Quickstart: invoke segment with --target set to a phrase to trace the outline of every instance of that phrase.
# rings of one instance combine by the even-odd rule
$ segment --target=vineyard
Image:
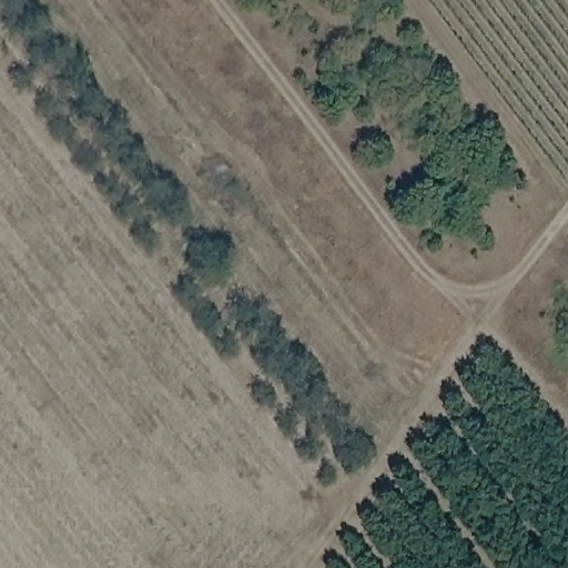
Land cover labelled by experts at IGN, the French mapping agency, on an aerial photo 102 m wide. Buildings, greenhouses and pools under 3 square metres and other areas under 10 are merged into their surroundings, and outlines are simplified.
[[[568,173],[568,0],[404,0],[406,16],[419,20],[424,40],[435,53],[439,53],[435,67],[439,67],[442,71],[455,69],[459,78],[462,98],[470,107],[475,107],[475,118],[479,122],[493,122],[495,129],[504,126],[506,142],[513,149],[517,166],[526,175],[530,173],[533,160],[539,160],[541,169],[550,178],[566,178]]]

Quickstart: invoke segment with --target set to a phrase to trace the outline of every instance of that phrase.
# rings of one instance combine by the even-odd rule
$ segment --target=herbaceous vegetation
[[[333,44],[339,38],[384,38],[393,44],[397,38],[399,22],[395,18],[377,22],[377,29],[362,29],[351,24],[353,18],[348,13],[331,13],[317,0],[282,0],[277,4],[277,11],[237,9],[240,18],[244,20],[249,31],[260,40],[262,49],[275,62],[275,67],[286,78],[295,80],[306,75],[311,82],[315,82],[315,58],[322,60],[324,53],[333,49]]]
[[[422,415],[419,426],[408,430],[406,446],[388,457],[391,470],[384,477],[377,477],[373,481],[373,493],[357,504],[359,515],[373,515],[377,510],[382,493],[388,493],[393,486],[393,468],[402,468],[406,462],[410,462],[422,484],[428,488],[424,497],[428,501],[437,499],[439,508],[446,510],[446,530],[457,528],[459,535],[473,544],[475,555],[481,559],[486,568],[497,568],[488,550],[479,546],[479,539],[464,524],[464,519],[459,517],[453,521],[453,515],[448,513],[448,497],[444,497],[442,488],[422,466],[419,457],[408,448],[415,442],[422,442],[424,435],[428,437],[435,426],[444,430],[453,428],[455,435],[464,435],[462,426],[450,426],[448,417],[442,417]]]
[[[322,448],[317,448],[313,459],[320,466],[324,459],[328,459],[335,475],[344,470],[342,462],[333,453],[333,442],[328,433],[317,437]]]
[[[515,268],[533,246],[533,242],[539,237],[539,233],[546,231],[546,226],[557,217],[557,213],[568,202],[568,173],[566,178],[550,178],[541,169],[539,160],[533,160],[530,173],[526,175],[524,189],[499,189],[490,195],[490,204],[481,211],[481,217],[493,229],[495,246],[490,251],[477,253],[475,257],[470,255],[470,246],[464,246],[462,240],[448,246],[439,244],[437,249],[428,249],[426,240],[419,237],[415,224],[399,224],[404,235],[417,246],[417,251],[422,251],[424,260],[439,275],[457,284],[481,284],[497,280],[506,275],[510,268]]]
[[[426,169],[419,166],[419,155],[408,149],[408,140],[397,129],[395,115],[388,115],[386,107],[373,107],[371,115],[355,115],[355,111],[344,111],[337,124],[326,124],[337,146],[351,153],[357,149],[366,149],[371,140],[377,142],[391,138],[391,162],[382,166],[357,166],[364,182],[373,189],[373,193],[377,193],[384,200],[386,175],[395,175],[395,184],[404,191],[413,189],[417,182],[426,178]]]
[[[158,233],[158,242],[149,255],[162,264],[160,280],[155,284],[164,282],[171,288],[186,266],[186,237],[182,235],[182,231],[178,226],[171,226],[166,220],[153,222],[151,226]]]
[[[202,297],[215,302],[217,308],[224,306],[229,291],[226,286],[222,286],[202,288]]]
[[[555,324],[546,317],[539,317],[539,313],[552,308],[552,282],[557,277],[564,280],[568,288],[568,231],[561,231],[552,240],[546,253],[535,262],[535,266],[508,293],[506,300],[501,308],[501,328],[513,342],[506,351],[504,366],[510,368],[513,364],[517,364],[526,373],[524,384],[528,384],[528,391],[539,388],[541,399],[550,404],[548,415],[555,419],[555,426],[566,424],[568,428],[568,386],[566,379],[552,366],[552,362],[544,355],[544,346],[555,348],[555,331]]]
[[[29,55],[20,38],[20,31],[11,31],[0,22],[0,51],[9,67],[16,62],[24,64]]]
[[[280,377],[275,377],[273,373],[264,373],[260,368],[255,377],[268,382],[275,391],[275,399],[266,406],[275,415],[277,410],[284,410],[288,406],[291,397]]]
[[[475,339],[470,353],[462,357],[455,364],[455,371],[448,375],[448,379],[442,382],[442,402],[448,399],[448,395],[462,393],[462,399],[470,408],[475,406],[475,397],[468,393],[468,386],[459,377],[459,373],[473,368],[477,357],[481,355],[481,348],[490,348],[495,342],[488,335],[479,335]]]
[[[251,353],[251,346],[257,344],[257,333],[251,331],[249,335],[244,335],[240,331],[233,335],[237,353]]]
[[[297,426],[284,435],[295,446],[306,433],[304,415],[295,415]]]
[[[382,559],[384,566],[391,566],[391,557],[377,548],[377,541],[368,535],[364,526],[357,533],[353,526],[342,524],[337,530],[339,539],[351,535],[357,539],[362,535],[368,550]]]

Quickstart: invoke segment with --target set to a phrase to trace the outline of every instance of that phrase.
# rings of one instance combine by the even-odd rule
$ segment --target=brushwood
[[[544,346],[544,355],[552,362],[552,366],[566,379],[568,386],[568,331],[555,331],[555,348]]]

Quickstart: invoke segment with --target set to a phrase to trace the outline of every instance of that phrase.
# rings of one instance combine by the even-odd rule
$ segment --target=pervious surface
[[[306,131],[315,138],[315,142],[322,146],[328,160],[346,178],[348,186],[362,200],[362,204],[379,224],[379,229],[391,237],[393,246],[406,257],[410,268],[419,277],[424,277],[433,288],[446,295],[448,302],[462,313],[475,311],[475,306],[466,302],[470,297],[488,300],[501,295],[506,300],[508,293],[535,266],[535,262],[546,253],[552,240],[561,231],[568,231],[568,202],[557,213],[557,217],[546,226],[546,231],[539,233],[539,237],[533,242],[533,246],[515,268],[510,268],[506,275],[497,280],[481,284],[457,284],[439,275],[424,260],[422,251],[417,251],[417,246],[404,235],[399,224],[384,200],[377,193],[373,193],[373,189],[364,182],[357,166],[351,153],[337,146],[326,124],[313,107],[313,98],[295,84],[295,80],[286,78],[275,67],[275,62],[262,49],[260,40],[249,31],[244,20],[240,18],[237,9],[233,0],[209,0],[215,13],[224,18],[235,40],[240,40],[246,53],[260,64],[262,73],[273,84],[273,89],[288,102],[284,115],[297,115],[302,120]]]

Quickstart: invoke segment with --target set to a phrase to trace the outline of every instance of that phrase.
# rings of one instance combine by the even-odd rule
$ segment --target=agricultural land
[[[377,453],[371,459],[371,464],[357,468],[355,473],[344,470],[335,475],[333,484],[322,484],[317,479],[320,466],[313,459],[300,457],[295,446],[284,435],[275,422],[275,415],[266,406],[255,404],[255,399],[251,397],[251,382],[255,377],[260,368],[251,353],[237,353],[235,357],[220,357],[209,337],[193,324],[191,313],[182,308],[171,288],[164,282],[155,284],[160,280],[162,264],[149,255],[133,240],[131,231],[111,211],[107,197],[98,191],[93,182],[93,175],[78,169],[71,160],[69,149],[51,138],[44,118],[36,113],[36,98],[13,87],[9,67],[0,51],[0,568],[326,568],[326,550],[335,550],[337,555],[342,555],[346,550],[339,539],[337,530],[342,524],[353,526],[357,533],[364,526],[359,515],[357,504],[373,493],[373,481],[377,477],[384,477],[391,470],[388,457],[406,446],[408,430],[419,426],[422,415],[442,417],[442,402],[442,382],[448,379],[448,375],[455,371],[455,364],[462,357],[470,353],[475,339],[479,335],[488,335],[495,342],[506,351],[513,342],[501,328],[501,308],[506,300],[501,295],[488,300],[470,297],[466,302],[475,306],[475,311],[462,313],[448,302],[446,295],[433,288],[424,277],[419,277],[410,268],[406,257],[393,246],[391,237],[379,229],[379,224],[362,204],[362,200],[348,186],[346,178],[328,160],[322,146],[315,142],[315,138],[306,131],[302,120],[297,115],[284,115],[288,102],[273,89],[273,84],[262,73],[260,64],[246,53],[240,40],[235,40],[224,18],[215,13],[209,0],[40,0],[49,7],[53,31],[64,36],[78,36],[82,40],[82,47],[89,51],[89,62],[100,89],[107,98],[120,102],[120,107],[129,113],[131,129],[142,135],[149,158],[162,164],[164,169],[173,171],[178,180],[186,186],[193,226],[217,229],[231,235],[231,275],[224,280],[222,286],[226,286],[229,291],[242,286],[246,297],[264,295],[268,308],[280,315],[286,337],[302,342],[315,355],[315,359],[322,364],[328,388],[337,395],[337,399],[351,404],[351,424],[373,435]]]

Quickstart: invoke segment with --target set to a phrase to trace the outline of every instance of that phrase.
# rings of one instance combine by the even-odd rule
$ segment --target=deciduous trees
[[[377,142],[371,140],[366,149],[357,149],[351,153],[357,166],[382,166],[391,162],[391,138]]]
[[[342,555],[337,555],[335,550],[326,550],[326,568],[486,568],[481,559],[475,555],[473,544],[459,535],[457,528],[446,530],[446,510],[439,508],[437,499],[428,501],[424,497],[428,488],[422,484],[410,462],[406,462],[402,468],[393,468],[393,486],[388,493],[382,493],[377,510],[373,515],[359,515],[364,526],[368,535],[377,541],[377,548],[391,557],[391,566],[384,566],[382,559],[368,550],[362,535],[357,539],[351,535],[339,539],[346,550]]]
[[[344,470],[355,473],[357,468],[371,464],[371,459],[377,453],[373,435],[351,424],[351,404],[337,399],[337,395],[328,388],[322,364],[315,359],[315,355],[302,342],[286,337],[280,315],[268,308],[264,295],[246,297],[242,286],[229,291],[224,306],[217,308],[215,302],[202,297],[202,288],[222,286],[224,280],[231,275],[231,235],[217,229],[193,226],[186,186],[178,180],[173,171],[164,169],[162,164],[149,158],[142,135],[131,129],[129,113],[120,107],[120,102],[107,98],[100,89],[89,62],[89,51],[82,47],[82,40],[78,36],[64,36],[53,31],[49,7],[40,0],[0,0],[0,22],[11,31],[20,31],[20,38],[29,55],[24,64],[16,62],[9,67],[13,87],[36,98],[36,113],[44,118],[51,138],[69,149],[71,160],[78,169],[93,175],[93,182],[98,191],[107,197],[111,211],[131,231],[133,240],[149,255],[158,242],[158,233],[151,226],[153,222],[166,220],[171,226],[178,226],[182,231],[182,235],[186,237],[186,266],[171,288],[182,308],[191,313],[193,324],[209,337],[220,357],[235,357],[237,353],[233,335],[240,331],[244,335],[249,335],[251,331],[257,333],[257,344],[251,346],[251,353],[260,368],[264,373],[273,373],[275,377],[280,377],[291,397],[288,406],[284,410],[277,410],[275,415],[275,422],[284,435],[297,426],[295,415],[304,415],[306,433],[295,446],[300,457],[313,459],[317,448],[322,448],[317,437],[328,433],[333,442],[333,453],[342,462]]]
[[[566,424],[555,426],[555,419],[548,415],[550,404],[541,399],[539,388],[528,391],[528,384],[524,384],[526,373],[517,364],[513,364],[510,368],[504,366],[506,351],[495,342],[490,348],[481,348],[481,355],[477,357],[473,368],[459,373],[459,377],[468,386],[468,393],[475,397],[475,406],[470,408],[462,399],[462,393],[448,395],[448,399],[442,402],[442,417],[448,417],[450,426],[462,426],[464,435],[455,435],[453,428],[444,430],[435,426],[428,437],[424,435],[422,442],[415,442],[408,448],[419,457],[422,466],[442,488],[444,497],[448,497],[448,513],[453,515],[453,521],[459,517],[464,519],[464,524],[479,539],[479,546],[488,550],[497,568],[568,568],[568,428]]]
[[[277,4],[282,0],[233,0],[237,9],[277,11]]]
[[[555,331],[568,331],[568,288],[564,280],[557,277],[552,282],[552,308],[539,313],[539,317],[546,317],[555,324]]]
[[[490,195],[499,189],[524,189],[526,175],[517,166],[513,149],[506,142],[504,126],[495,129],[493,122],[479,122],[475,118],[475,107],[470,107],[462,98],[459,78],[455,69],[442,71],[439,67],[435,67],[439,53],[435,53],[424,40],[419,20],[406,16],[404,0],[317,0],[331,13],[348,13],[353,18],[351,24],[362,29],[377,29],[377,22],[395,18],[399,22],[397,38],[393,44],[384,38],[339,38],[333,44],[333,49],[324,53],[322,60],[315,58],[315,82],[311,82],[306,75],[295,80],[295,84],[313,98],[313,107],[326,124],[337,124],[344,111],[355,111],[355,115],[371,115],[373,107],[386,107],[388,115],[395,115],[397,129],[408,140],[408,149],[419,155],[419,166],[426,169],[426,178],[417,182],[413,189],[404,191],[395,184],[395,175],[386,175],[384,200],[399,224],[415,224],[419,237],[426,240],[428,249],[437,249],[439,244],[448,246],[462,240],[464,246],[470,246],[470,255],[475,257],[477,253],[490,251],[495,246],[493,229],[481,217],[481,211],[490,204]]]
[[[335,475],[328,459],[324,459],[320,466],[317,479],[322,484],[333,484]]]
[[[275,399],[275,391],[268,382],[255,377],[251,382],[251,397],[255,399],[255,404],[266,406]]]

